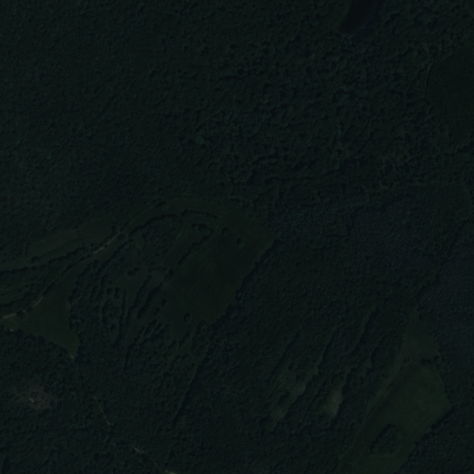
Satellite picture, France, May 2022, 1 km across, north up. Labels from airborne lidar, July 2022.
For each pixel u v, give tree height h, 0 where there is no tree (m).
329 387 13
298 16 27
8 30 15
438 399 0
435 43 25
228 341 28
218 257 0
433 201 7
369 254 22
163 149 23
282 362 17
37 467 20
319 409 18
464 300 24
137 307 13
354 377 16
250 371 25
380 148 23
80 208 17
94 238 0
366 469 0
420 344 0
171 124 28
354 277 15
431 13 30
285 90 27
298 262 21
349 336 24
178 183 21
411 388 0
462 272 20
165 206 15
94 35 18
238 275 0
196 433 23
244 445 18
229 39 16
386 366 18
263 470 23
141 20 19
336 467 16
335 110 20
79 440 23
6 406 11
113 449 23
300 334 20
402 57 25
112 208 16
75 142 17
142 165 20
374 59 30
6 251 19
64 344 0
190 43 22
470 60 12
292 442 22
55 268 19
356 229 18
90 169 17
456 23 21
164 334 13
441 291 21
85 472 26
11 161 20
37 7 12
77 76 19
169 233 14
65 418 18
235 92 26
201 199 12
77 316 13
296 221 29
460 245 19
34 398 11
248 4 17
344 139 6
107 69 19
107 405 22
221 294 0
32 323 0
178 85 19
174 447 20
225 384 21
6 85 16
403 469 6
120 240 13
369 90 27
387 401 0
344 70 23
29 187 15
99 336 26
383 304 18
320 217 30
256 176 24
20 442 23
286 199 24
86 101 20
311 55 34
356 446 0
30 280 11
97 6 14
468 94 9
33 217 16
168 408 16
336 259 19
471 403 24
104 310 11
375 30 25
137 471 25
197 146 25
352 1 0
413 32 25
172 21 22
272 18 24
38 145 17
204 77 20
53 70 19
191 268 0
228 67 25
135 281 0
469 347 20
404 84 20
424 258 21
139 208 17
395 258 19
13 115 15
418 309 8
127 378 18
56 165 13
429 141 20
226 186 22
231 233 0
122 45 19
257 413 7
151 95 21
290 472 23
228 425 22
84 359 27
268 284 21
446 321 21
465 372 16
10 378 8
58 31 15
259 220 17
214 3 23
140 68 19
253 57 23
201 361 0
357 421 18
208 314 0
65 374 13
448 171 18
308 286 19
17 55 14
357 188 31
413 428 0
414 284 21
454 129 11
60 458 19
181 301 0
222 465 18
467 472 23
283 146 24
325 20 30
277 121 27
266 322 21
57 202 15
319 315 20
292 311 22
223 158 16
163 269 7
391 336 23
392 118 27
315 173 27
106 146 19
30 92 19
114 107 18
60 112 20
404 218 19
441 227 10
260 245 0
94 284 13
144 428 20
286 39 24
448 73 11
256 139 28
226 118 22
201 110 23
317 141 22
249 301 23
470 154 25
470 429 19
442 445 17
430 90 11
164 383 17
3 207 20
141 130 22
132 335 0
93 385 24
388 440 18
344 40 18
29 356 27
